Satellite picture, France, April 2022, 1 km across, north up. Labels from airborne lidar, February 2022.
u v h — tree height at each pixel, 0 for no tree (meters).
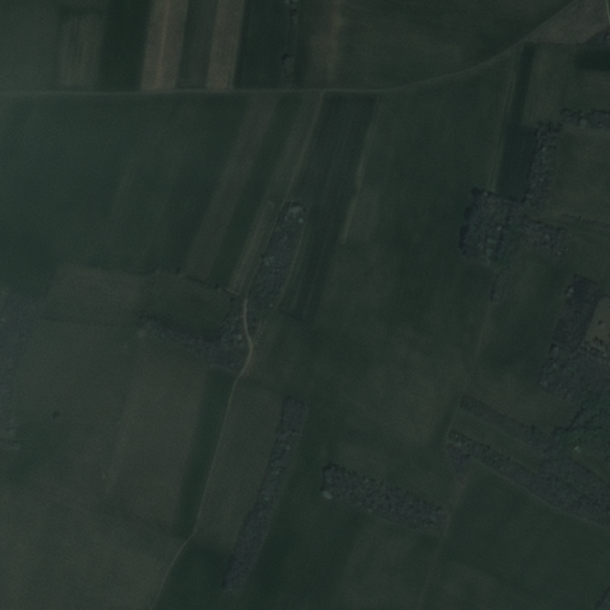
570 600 0
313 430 0
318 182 0
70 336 0
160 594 0
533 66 0
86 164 0
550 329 0
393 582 0
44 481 0
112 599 0
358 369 0
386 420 0
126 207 0
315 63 0
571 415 0
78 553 0
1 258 0
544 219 0
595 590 0
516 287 0
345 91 0
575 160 0
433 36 0
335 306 0
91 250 0
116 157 0
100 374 0
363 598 0
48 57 0
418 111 0
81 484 0
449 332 0
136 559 0
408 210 0
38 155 0
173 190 0
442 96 0
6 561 0
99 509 0
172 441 0
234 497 0
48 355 0
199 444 0
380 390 0
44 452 0
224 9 0
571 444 9
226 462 0
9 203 0
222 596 0
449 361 0
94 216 0
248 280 0
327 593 0
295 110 0
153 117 0
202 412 0
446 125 0
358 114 0
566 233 11
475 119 0
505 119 0
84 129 0
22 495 0
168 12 0
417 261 0
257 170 0
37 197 0
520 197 0
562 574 0
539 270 0
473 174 0
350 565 0
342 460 0
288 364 0
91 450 0
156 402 0
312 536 0
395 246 0
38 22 0
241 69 0
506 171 0
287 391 0
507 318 0
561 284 0
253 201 0
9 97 0
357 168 0
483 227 20
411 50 0
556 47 0
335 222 0
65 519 0
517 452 0
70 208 0
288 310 0
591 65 0
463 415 0
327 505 0
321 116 0
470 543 0
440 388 0
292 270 0
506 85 0
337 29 0
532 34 0
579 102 0
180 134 0
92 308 0
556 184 0
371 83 0
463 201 0
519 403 0
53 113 0
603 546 0
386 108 0
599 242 0
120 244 0
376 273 0
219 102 0
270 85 0
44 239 0
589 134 0
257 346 0
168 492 0
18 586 0
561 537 0
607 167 0
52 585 0
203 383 0
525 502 0
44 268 0
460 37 0
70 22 0
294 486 0
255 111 0
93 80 0
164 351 0
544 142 11
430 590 0
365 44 0
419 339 0
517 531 0
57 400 0
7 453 0
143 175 0
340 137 0
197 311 0
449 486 0
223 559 0
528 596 0
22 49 0
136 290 0
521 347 0
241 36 0
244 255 0
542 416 0
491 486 0
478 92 0
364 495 13
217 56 0
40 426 0
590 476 16
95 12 0
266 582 0
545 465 11
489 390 0
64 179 0
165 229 0
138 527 0
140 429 0
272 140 0
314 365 0
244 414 0
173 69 0
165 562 0
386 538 0
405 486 0
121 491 0
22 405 0
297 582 0
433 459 0
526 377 0
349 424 0
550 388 9
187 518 0
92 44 0
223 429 0
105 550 0
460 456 9
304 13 0
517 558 0
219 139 0
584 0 0
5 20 0
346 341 0
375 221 0
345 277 0
